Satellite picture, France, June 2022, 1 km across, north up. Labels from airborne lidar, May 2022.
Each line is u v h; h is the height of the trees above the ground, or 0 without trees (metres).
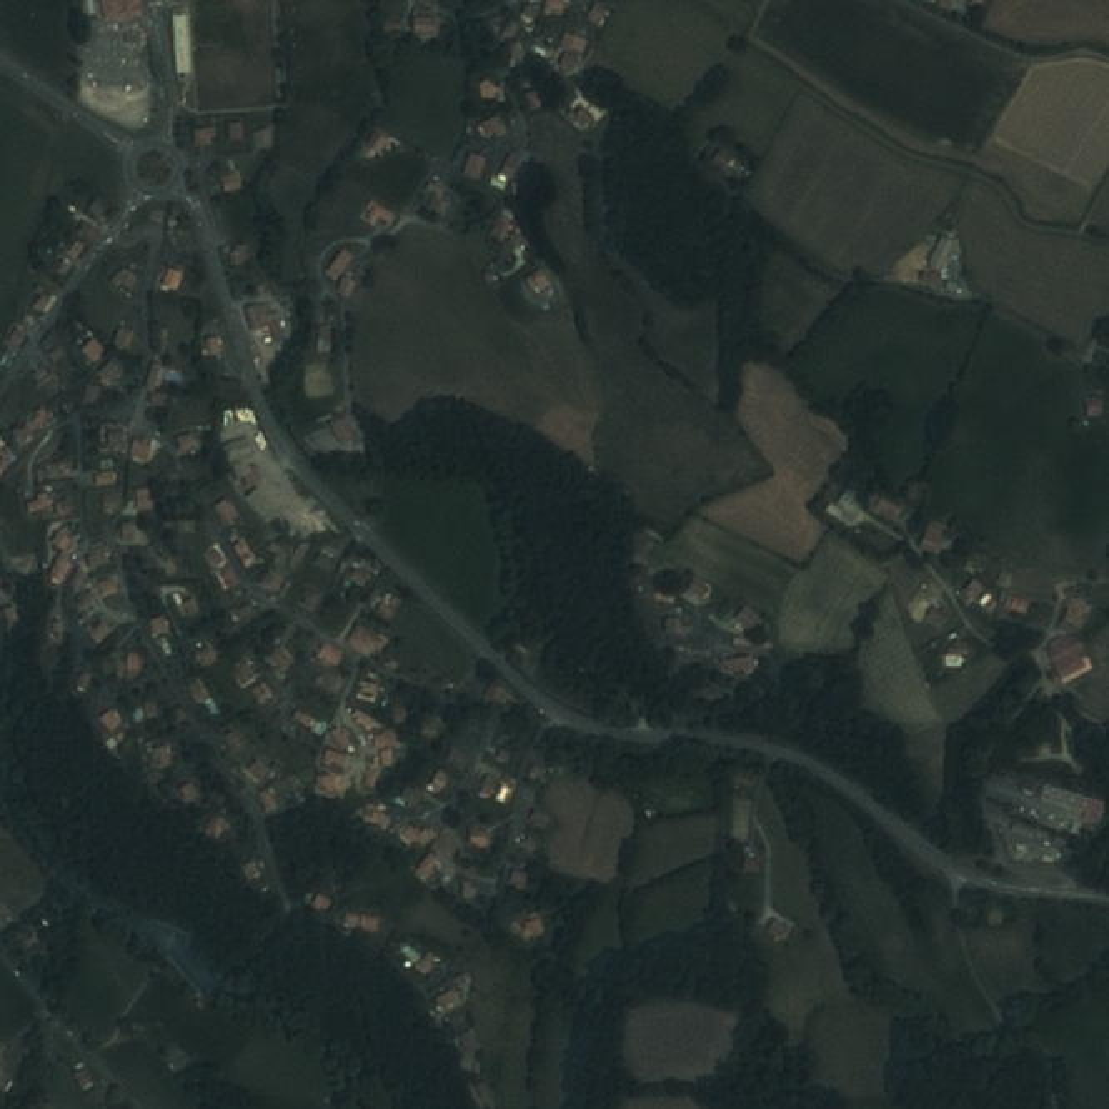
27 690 26
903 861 10
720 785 13
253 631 6
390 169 0
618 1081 18
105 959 0
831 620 0
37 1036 9
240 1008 20
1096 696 0
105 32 0
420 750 20
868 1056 0
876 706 0
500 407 0
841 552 0
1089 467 0
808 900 0
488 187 0
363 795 0
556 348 0
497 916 10
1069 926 0
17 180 0
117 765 10
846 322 0
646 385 0
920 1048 30
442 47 15
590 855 0
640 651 24
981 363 0
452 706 7
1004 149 0
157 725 10
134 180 0
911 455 0
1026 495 0
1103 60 0
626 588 15
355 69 0
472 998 7
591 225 11
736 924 21
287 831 21
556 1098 0
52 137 0
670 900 0
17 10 0
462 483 17
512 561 19
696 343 0
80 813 24
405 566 0
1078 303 0
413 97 0
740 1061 8
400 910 0
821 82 0
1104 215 0
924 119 0
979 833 8
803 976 0
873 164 0
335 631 0
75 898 15
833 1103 25
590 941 0
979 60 0
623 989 29
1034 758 0
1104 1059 0
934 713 0
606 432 0
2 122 0
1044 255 0
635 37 0
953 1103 21
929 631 0
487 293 0
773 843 0
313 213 11
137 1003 0
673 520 0
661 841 0
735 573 0
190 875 20
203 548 0
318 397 0
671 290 17
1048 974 11
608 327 0
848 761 31
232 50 0
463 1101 19
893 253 0
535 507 25
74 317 8
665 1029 0
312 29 0
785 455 0
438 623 0
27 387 0
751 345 21
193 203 0
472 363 0
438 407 17
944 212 0
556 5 0
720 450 0
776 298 0
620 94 27
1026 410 0
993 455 0
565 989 16
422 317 0
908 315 0
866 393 10
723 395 9
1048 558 0
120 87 0
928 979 0
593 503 26
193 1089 21
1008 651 16
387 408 0
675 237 18
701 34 0
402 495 0
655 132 19
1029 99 0
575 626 22
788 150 0
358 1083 19
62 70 0
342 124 0
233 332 0
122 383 0
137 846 25
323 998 25
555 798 0
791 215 0
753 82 0
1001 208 0
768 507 0
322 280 0
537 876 13
